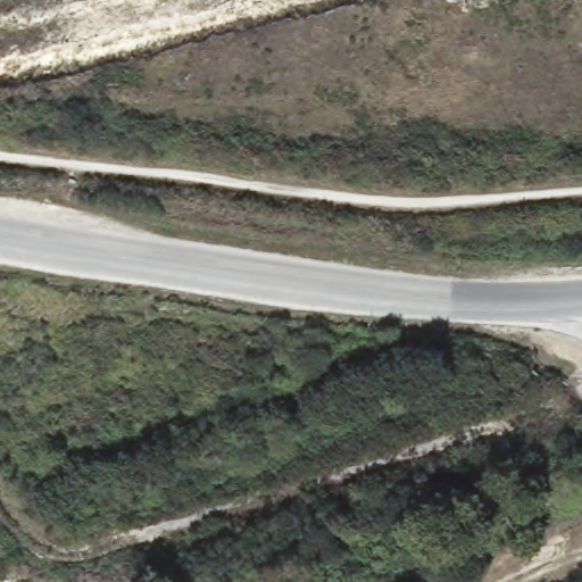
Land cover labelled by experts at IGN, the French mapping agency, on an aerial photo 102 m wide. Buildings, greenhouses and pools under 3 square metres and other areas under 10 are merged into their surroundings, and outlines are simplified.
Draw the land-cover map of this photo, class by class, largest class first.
<instances>
[{"label":"brushwood","instance_id":"1","mask_svg":"<svg viewBox=\"0 0 582 582\"><path fill-rule=\"evenodd\" d=\"M143 70L132 73L123 68H100L93 75V80H89L86 84L77 86L75 95L70 98L30 100L25 95H14L0 100V150L161 168L173 155H191L198 164L205 157L252 161V157L257 155L259 161L271 173H275L273 182L289 186L398 198L482 196L530 189L582 186V146L571 143L562 136L550 139L543 132H537L525 125H507L505 130H457L446 120L423 116L414 120H400L398 125H373L368 111L361 109L352 116V125H336L327 134H318V141L309 143L305 150H275V141L282 134L255 127L252 118H248L246 114L196 120L177 118L175 111L148 114L125 102H114L109 98V91L143 89ZM512 252H521V257L532 268L582 266V209H548L541 214V218L532 221H521L518 216H496L484 225V243L480 250L434 243L432 252L427 255L437 264H443V268L459 259L482 264H507L512 259ZM11 321H23L27 325L14 330V336H20L23 346L7 350V355H0V473L5 482L18 487L23 512L32 521L41 523L45 530L43 537L34 539L30 532L23 530V525L11 516L9 507L0 500V580L7 577L11 566H25L39 577H59L61 582H193L191 571L205 564L202 555H207V550H211L218 541H241L246 532L255 530L264 521L280 516L282 512H289L300 518L318 514V509H323L325 502H332L346 518L355 512V505L348 498L352 491H368L384 482L391 484V489L384 498L393 500L398 507H407L409 484L427 482L437 468H452L459 464V459L477 464L482 457H487L493 441L489 434H482L473 441H464V427L498 418L514 402H527L534 400L539 393H546V382L562 380L566 375L559 366H546L534 361L530 346L477 330L473 325H452L441 318L411 323L400 334L396 330H364L355 325L352 332H339L336 336H327L321 330H309L302 336H289L291 321H273L268 316L259 318V325L255 330L243 327L232 332L227 325H198L166 316L148 321L146 325L132 330L130 323L116 314H89L82 321L64 325L45 318L14 314ZM443 434H448L452 443L443 446L441 450L425 452L418 459L371 466L366 471L348 475L341 482L330 480L334 471L350 466L361 457L377 459L384 452H398L407 443H423ZM289 482L298 487V493L286 496L280 502H271L248 512H211L200 521L191 523L186 527L193 539L191 543L175 541L171 534H166L152 541H139L111 550L109 555H98L80 562H43L32 555L34 550L52 552L55 546L91 543L93 539H100L111 530H134L161 521L182 518L202 505L227 502L248 496L257 489L282 487Z\"/></svg>","mask_w":582,"mask_h":582},{"label":"herbaceous vegetation","instance_id":"2","mask_svg":"<svg viewBox=\"0 0 582 582\"><path fill-rule=\"evenodd\" d=\"M89 80H93V75L100 68H123L132 73L143 70V89L109 91V98L114 102H125L148 114L175 111L177 118L196 120L246 114L248 118H252L255 127L282 134L275 141V150H305L309 143L318 141V134H327L336 125H352V116L361 109L368 111L373 125H398L400 120H414L423 116L446 120L457 130H505L507 125H525L537 132H543L550 139L562 136L571 143L582 146V0H496L484 9L477 7L464 14L455 2L448 0H323L314 5L289 7L280 14L236 18L218 27L173 36L159 45L152 43L146 48L98 57L82 66ZM161 168L200 171L241 180L273 182L275 173H271L259 161L257 155L252 157V161L205 157L198 164L191 155H173ZM0 198H18L70 207L93 216L111 218L134 230L171 239L280 252L321 261H341L366 268L446 277H500L525 273L532 268L521 257V252H512V259L507 264H482L459 259L443 268V264H437L427 255L432 252L434 243L480 250L484 243V225L496 216H518L521 221H532L541 218V214L548 209H582V196L450 209H384L314 198L271 196L202 182L89 171L82 173L52 166L0 161ZM14 314L45 318L64 325L82 321L89 314H116L130 323L132 330L146 325L148 321L166 316L198 325H227L232 332L243 327L255 330L259 325V318L268 316L273 321H291L289 336H302L309 330H321L327 336H336L339 332H352L355 325L364 330H396L400 334L411 323L398 316L373 318L348 314L296 311L230 298H207L152 286L80 280L68 275L0 266V355H7V350L23 346L20 336H14V330L27 325L23 321H11ZM0 500L9 507L11 516L23 525V530L30 532L34 539L43 537L45 530L41 523L32 521L23 512L18 487L5 482L0 473Z\"/></svg>","mask_w":582,"mask_h":582},{"label":"deciduous trees","instance_id":"3","mask_svg":"<svg viewBox=\"0 0 582 582\"><path fill-rule=\"evenodd\" d=\"M577 386L573 384V380L566 375L562 380L546 382V393H539L534 400L527 402H514L498 418L507 421L512 430L502 434H489L493 441L487 457H482L477 464L459 459V464L452 468H437L427 482L409 484L407 507H398L393 500L384 498L391 489V484L384 482L368 491H352L348 498L355 505V512L346 518L332 502H325L323 509H318V514L300 518L289 512H282L280 516L264 521L255 530L246 532L241 541H218L211 550H207V555H202L205 564L191 571L193 582H482L489 564L505 550H512L516 557L523 559H532L546 543L550 518L571 521L582 516V398L575 391Z\"/></svg>","mask_w":582,"mask_h":582},{"label":"impervious surface","instance_id":"4","mask_svg":"<svg viewBox=\"0 0 582 582\"><path fill-rule=\"evenodd\" d=\"M0 266L68 275L80 280L152 286L207 298H230L296 311L348 314L373 318L398 316L411 323L441 318L452 325H473L477 330L530 346L534 361L546 366H559L566 375L573 380V384L577 386L575 391L582 398V266L532 268L525 273L500 277H446L366 268L341 261H321L280 252L171 239L134 230L111 218L93 216L70 207L18 198H0Z\"/></svg>","mask_w":582,"mask_h":582},{"label":"pervious surface","instance_id":"5","mask_svg":"<svg viewBox=\"0 0 582 582\"><path fill-rule=\"evenodd\" d=\"M323 0H0V100L14 95H25L30 100L70 98L75 95L77 86L86 84L89 80L82 66L98 57L146 48L152 43L159 45L173 36L218 27L236 18L280 14L289 7L314 5ZM455 2L464 14L477 7L484 9L496 0H448ZM0 161L52 166L82 173L89 171L202 182L271 196L314 198L384 209H450L582 196V186L530 189L482 196L398 198L289 186L273 182L241 180L200 171L161 168L0 150ZM512 430L507 421L498 418L464 427V441H473L482 434H502ZM452 443L448 434H443L423 443H407L398 452H384L377 459L361 457L350 466L334 471L330 480L341 482L348 475L366 471L371 466L418 459L425 452L441 450L443 446ZM298 493V487L289 482L282 487L257 489L248 496L227 502L202 505L182 518L161 521L134 530H111L100 539H93L91 543L55 546L52 552L34 550L32 555L43 562H80L98 555H109L111 550L139 541H152L166 534H171L175 541L191 543L193 539L186 527L191 523L200 521L211 512H248L271 502H280L286 496ZM482 582H582V516L571 521L550 518L546 543L532 559H523L516 557L512 550H505L489 564ZM0 582H61L59 577H39L25 566H11L7 577L0 580Z\"/></svg>","mask_w":582,"mask_h":582}]
</instances>
